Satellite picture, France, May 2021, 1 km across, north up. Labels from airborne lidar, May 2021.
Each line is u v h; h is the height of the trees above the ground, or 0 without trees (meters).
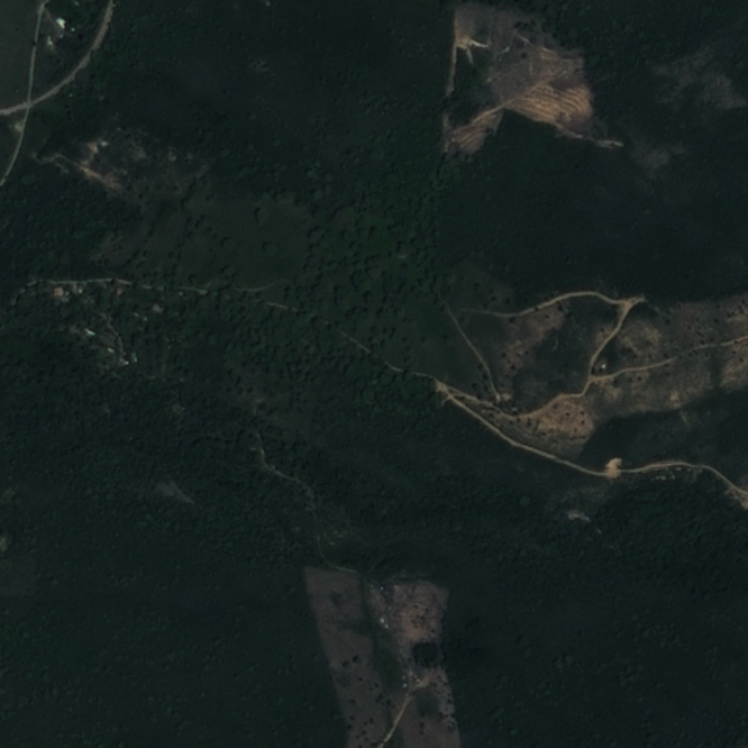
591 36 7
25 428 14
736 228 6
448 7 16
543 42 0
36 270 10
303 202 12
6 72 0
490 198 7
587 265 6
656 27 6
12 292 7
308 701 10
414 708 0
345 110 5
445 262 7
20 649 6
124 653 6
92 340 9
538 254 6
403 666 0
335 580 0
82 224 6
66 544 6
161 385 7
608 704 7
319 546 0
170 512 13
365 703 0
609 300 0
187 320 10
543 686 10
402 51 9
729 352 0
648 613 7
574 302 0
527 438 0
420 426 8
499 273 6
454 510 9
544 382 0
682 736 7
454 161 13
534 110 0
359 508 14
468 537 6
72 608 5
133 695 7
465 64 6
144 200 7
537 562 10
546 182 6
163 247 0
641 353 0
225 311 12
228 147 5
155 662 6
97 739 7
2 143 0
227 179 6
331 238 13
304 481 6
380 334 8
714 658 7
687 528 10
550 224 6
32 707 6
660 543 7
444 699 0
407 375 12
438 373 0
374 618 0
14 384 9
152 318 14
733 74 7
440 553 6
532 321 0
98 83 11
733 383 0
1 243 7
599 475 0
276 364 10
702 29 6
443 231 7
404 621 0
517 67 0
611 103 6
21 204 6
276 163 8
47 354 19
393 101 6
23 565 0
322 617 0
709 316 0
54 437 12
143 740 6
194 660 6
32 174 14
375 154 13
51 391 11
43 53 0
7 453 8
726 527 11
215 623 8
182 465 11
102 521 7
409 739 0
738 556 10
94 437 13
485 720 6
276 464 10
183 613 7
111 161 0
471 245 7
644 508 11
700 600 8
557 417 0
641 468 0
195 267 0
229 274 8
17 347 0
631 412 0
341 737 6
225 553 6
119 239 7
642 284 5
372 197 11
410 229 10
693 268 6
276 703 8
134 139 9
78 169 0
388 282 11
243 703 6
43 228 10
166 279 10
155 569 5
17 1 0
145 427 10
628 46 7
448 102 15
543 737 7
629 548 7
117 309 7
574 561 6
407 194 9
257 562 6
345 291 16
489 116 0
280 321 9
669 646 9
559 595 8
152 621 7
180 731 6
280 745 5
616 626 7
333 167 6
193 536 7
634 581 10
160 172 0
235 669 6
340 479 14
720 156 6
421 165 7
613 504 6
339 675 0
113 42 10
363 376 9
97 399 5
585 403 0
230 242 10
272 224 0
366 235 9
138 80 6
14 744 6
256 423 10
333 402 9
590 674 5
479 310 0
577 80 0
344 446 7
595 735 12
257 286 0
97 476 6
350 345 10
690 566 11
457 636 10
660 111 5
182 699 7
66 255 12
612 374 0
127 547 6
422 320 0
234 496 8
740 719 7
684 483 7
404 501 8
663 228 6
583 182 5
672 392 0
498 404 9
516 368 9
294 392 6
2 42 0
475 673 6
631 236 5
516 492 7
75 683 6
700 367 0
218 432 11
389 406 10
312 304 12
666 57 6
